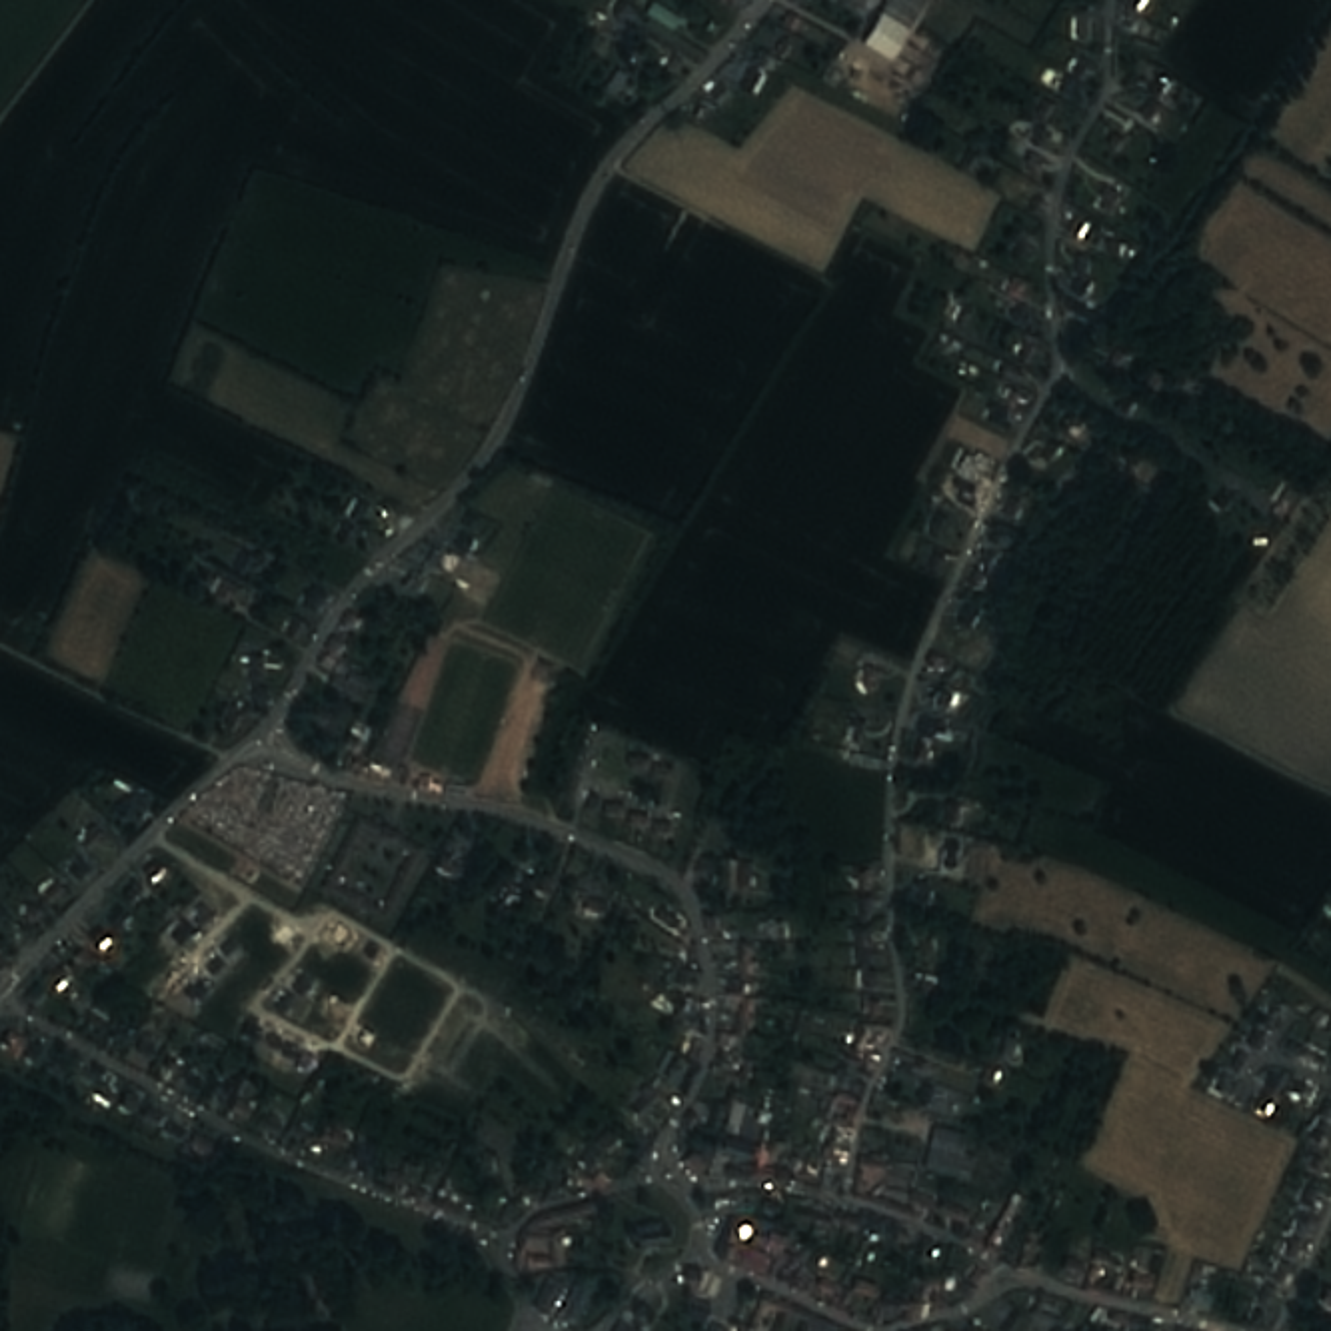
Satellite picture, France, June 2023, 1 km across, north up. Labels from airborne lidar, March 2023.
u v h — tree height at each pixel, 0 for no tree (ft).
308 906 0
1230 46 0
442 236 0
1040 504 22
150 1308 0
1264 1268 0
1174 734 0
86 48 0
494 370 0
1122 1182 0
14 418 0
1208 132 0
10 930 0
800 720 27
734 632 0
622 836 0
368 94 0
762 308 0
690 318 0
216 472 0
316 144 0
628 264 0
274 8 0
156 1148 0
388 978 0
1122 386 48
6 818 0
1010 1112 30
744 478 0
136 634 0
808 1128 0
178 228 0
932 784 58
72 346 0
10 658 0
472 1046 0
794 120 0
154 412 0
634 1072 0
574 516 0
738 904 31
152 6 0
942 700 0
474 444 0
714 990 0
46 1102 51
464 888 47
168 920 0
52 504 0
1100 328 61
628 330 0
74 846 0
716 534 0
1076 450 26
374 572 0
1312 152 0
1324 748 0
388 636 21
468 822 38
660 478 0
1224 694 0
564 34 0
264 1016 0
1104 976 0
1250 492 0
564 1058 0
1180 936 0
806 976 43
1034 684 24
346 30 0
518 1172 26
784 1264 0
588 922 0
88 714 0
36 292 0
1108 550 45
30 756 0
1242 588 0
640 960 26
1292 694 0
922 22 0
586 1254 33
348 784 0
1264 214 0
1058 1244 0
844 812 0
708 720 0
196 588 54
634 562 0
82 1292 0
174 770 0
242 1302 88
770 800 63
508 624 0
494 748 0
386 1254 62
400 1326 0
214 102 0
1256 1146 0
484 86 0
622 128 0
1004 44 0
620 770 0
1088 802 0
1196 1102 0
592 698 0
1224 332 27
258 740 0
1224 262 0
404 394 0
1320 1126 0
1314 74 0
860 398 0
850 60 0
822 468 0
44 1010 0
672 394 0
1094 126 0
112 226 0
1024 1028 18
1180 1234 0
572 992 43
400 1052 0
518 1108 21
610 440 0
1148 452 50
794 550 0
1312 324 0
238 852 0
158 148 0
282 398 0
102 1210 0
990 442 0
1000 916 0
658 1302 0
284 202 0
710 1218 0
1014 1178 36
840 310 0
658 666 0
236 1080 21
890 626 0
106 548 47
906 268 0
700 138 0
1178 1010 0
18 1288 0
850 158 0
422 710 0
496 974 0
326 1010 0
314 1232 88
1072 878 0
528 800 0
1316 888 0
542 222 0
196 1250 0
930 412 0
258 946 0
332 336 0
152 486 24
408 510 0
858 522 0
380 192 0
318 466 42
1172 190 0
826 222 0
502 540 0
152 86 0
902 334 0
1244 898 0
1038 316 0
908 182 0
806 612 0
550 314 0
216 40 0
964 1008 64
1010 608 80
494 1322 0
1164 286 23
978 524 0
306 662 0
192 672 0
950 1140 0
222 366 0
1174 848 0
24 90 0
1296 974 0
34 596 0
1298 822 0
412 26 0
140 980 0
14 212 0
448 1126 24
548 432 0
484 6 0
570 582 0
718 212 0
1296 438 50
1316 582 0
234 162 0
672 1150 0
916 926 43
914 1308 0
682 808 0
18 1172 0
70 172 0
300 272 0
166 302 0
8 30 0
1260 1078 0
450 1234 74
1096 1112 23
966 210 0
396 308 0
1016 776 37
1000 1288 0
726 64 0
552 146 0
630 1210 0
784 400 0
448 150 0
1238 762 0
